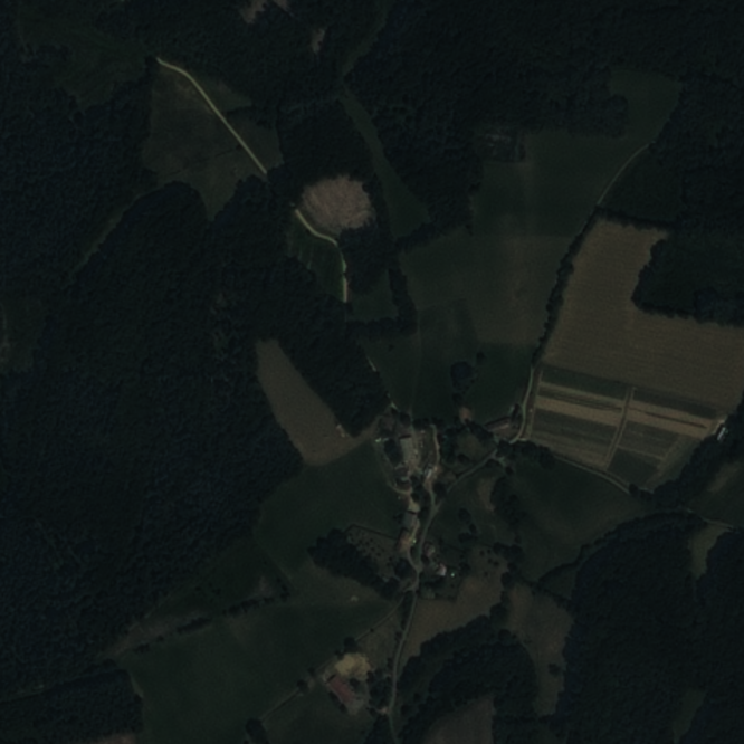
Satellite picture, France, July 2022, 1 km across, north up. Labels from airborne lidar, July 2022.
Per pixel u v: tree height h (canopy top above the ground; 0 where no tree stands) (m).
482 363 13
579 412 0
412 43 21
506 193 0
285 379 0
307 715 0
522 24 16
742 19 16
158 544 24
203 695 0
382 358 0
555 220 0
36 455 24
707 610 29
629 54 19
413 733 14
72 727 13
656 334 0
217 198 0
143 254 18
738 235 13
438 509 0
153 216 24
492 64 13
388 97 17
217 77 18
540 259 0
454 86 19
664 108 0
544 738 0
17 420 30
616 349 0
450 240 0
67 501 26
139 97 20
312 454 0
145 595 24
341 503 0
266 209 24
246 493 26
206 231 23
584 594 29
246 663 0
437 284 0
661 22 19
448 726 0
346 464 0
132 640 0
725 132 15
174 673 0
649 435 0
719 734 29
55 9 26
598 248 0
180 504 25
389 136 19
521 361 0
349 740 0
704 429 0
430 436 0
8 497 8
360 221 0
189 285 22
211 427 27
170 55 19
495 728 12
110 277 20
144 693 0
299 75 20
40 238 20
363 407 24
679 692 19
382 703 15
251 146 0
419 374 0
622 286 0
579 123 23
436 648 22
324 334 26
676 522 14
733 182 25
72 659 28
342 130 29
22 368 0
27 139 27
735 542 28
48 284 23
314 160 26
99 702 26
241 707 0
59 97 27
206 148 0
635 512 0
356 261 20
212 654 0
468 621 0
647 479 0
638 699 22
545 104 22
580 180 0
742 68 19
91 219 22
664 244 14
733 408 0
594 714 23
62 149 30
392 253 25
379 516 0
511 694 22
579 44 12
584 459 0
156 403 28
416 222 0
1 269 21
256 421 24
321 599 0
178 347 18
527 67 7
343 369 24
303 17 23
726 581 26
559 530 0
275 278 29
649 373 0
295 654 0
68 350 22
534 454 21
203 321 22
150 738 0
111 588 23
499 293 0
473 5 12
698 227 19
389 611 0
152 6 23
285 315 24
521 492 0
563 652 0
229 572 0
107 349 18
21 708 6
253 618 0
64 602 22
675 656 26
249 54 24
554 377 0
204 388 24
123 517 26
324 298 25
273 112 19
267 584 0
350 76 9
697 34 16
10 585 30
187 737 0
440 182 28
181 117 0
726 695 20
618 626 27
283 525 0
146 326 22
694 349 0
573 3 11
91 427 17
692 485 26
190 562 28
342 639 0
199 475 32
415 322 23
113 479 25
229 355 19
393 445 19
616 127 21
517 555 19
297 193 27
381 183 18
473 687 10
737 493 0
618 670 28
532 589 10
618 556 26
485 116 21
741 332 0
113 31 14
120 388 19
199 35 19
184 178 0
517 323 0
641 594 24
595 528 0
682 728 0
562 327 0
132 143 21
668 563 22
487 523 0
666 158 19
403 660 0
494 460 7
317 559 19
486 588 0
